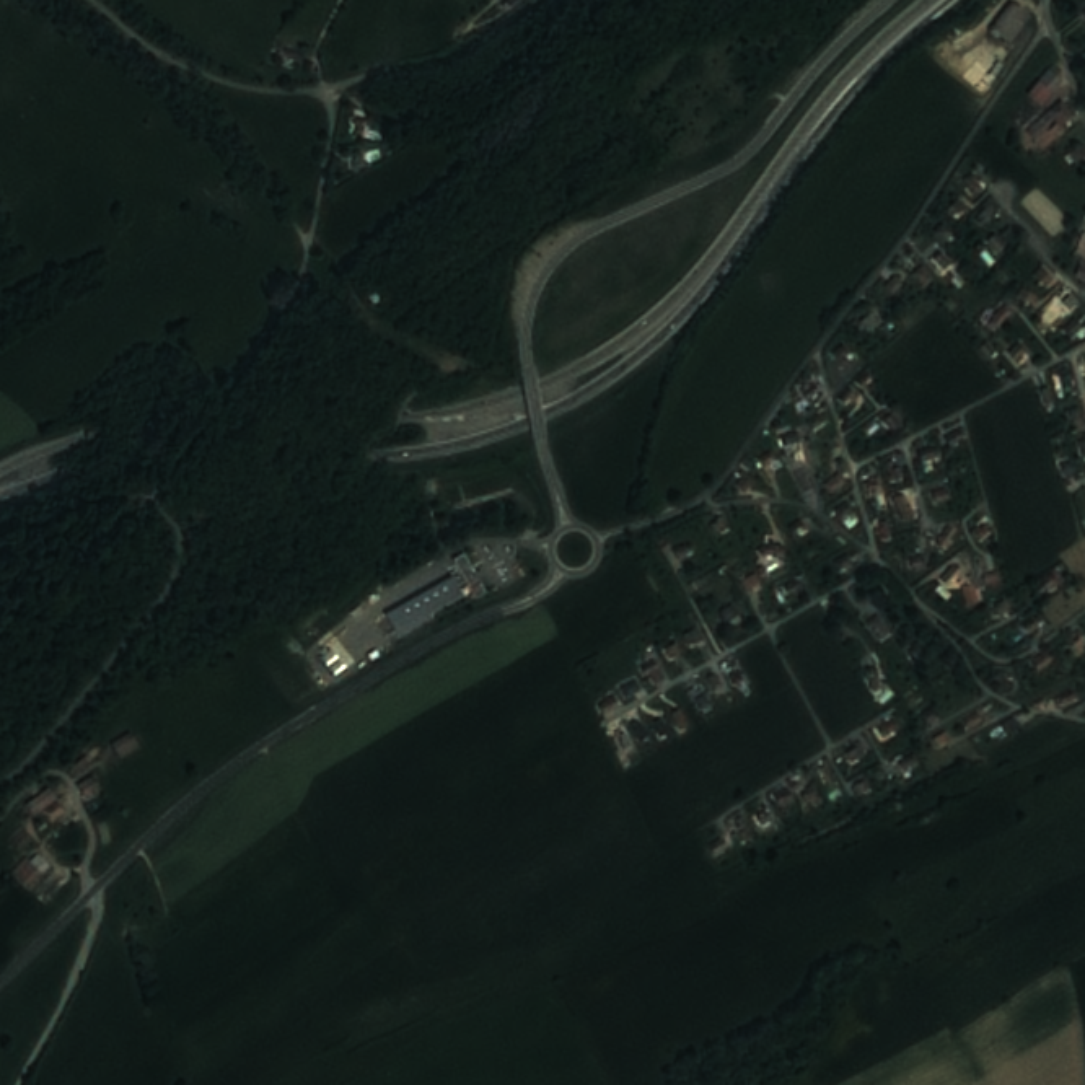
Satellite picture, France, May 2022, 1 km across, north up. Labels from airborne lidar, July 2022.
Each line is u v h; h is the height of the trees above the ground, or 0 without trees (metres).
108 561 15
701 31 18
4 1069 0
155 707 0
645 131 11
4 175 0
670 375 7
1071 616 0
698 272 0
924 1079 0
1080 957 0
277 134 0
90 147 0
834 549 0
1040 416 0
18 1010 0
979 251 7
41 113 0
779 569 0
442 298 14
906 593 20
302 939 0
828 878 0
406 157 0
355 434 15
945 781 7
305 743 0
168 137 0
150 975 11
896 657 0
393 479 11
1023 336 0
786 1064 6
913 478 6
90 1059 0
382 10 0
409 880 0
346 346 18
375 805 0
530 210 20
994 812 0
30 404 0
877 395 7
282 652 0
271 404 17
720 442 0
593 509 0
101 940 0
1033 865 0
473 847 0
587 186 22
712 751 0
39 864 0
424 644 0
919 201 0
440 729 0
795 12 11
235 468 15
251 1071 0
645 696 0
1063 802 0
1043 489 0
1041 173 0
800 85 0
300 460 15
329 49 0
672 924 0
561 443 0
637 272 0
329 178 17
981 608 11
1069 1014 0
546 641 0
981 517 0
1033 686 6
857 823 8
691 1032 0
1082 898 0
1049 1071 0
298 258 0
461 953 0
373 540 22
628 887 0
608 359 0
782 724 0
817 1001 20
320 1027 0
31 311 18
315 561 22
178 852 0
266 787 0
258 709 0
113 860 0
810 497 0
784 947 0
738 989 0
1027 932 0
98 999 0
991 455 0
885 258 0
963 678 13
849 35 0
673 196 0
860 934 0
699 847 0
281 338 21
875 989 0
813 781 6
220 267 0
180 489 16
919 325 0
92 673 18
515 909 0
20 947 0
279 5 0
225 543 17
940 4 0
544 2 9
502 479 0
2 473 0
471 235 16
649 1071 0
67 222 0
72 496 11
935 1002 0
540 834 0
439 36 0
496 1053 0
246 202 0
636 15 19
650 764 0
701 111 5
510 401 0
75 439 0
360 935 0
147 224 0
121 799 0
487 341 14
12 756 21
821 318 8
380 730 0
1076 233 5
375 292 11
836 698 0
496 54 19
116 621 10
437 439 0
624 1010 0
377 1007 0
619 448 0
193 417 28
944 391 0
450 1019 0
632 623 0
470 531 21
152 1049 0
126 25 11
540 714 0
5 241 8
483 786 0
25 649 22
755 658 0
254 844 0
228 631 25
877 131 0
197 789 0
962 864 0
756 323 0
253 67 0
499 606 0
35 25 0
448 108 18
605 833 0
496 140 17
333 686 0
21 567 27
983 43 0
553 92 16
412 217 18
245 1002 0
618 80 18
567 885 0
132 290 0
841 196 0
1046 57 0
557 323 0
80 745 16
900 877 8
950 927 0
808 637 0
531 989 0
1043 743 0
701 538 0
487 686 0
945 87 0
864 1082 0
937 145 0
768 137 0
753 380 0
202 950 0
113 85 0
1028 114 0
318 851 0
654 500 19
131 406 12
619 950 0
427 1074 0
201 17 0
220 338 0
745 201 0
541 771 0
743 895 0
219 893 0
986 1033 0
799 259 0
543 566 0
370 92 13
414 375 16
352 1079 0
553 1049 0
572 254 0
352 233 0
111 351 0
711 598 9
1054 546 0
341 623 0
